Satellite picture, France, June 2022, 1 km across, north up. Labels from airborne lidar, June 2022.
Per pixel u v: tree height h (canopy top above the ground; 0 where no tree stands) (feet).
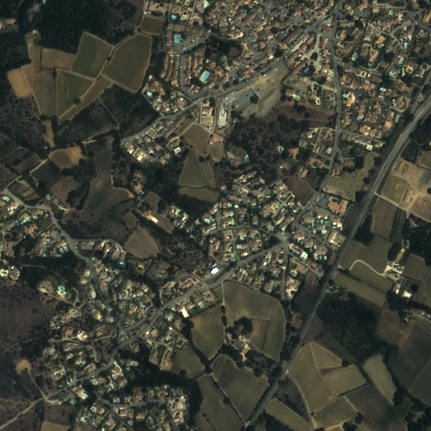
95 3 32
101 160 0
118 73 0
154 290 30
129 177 39
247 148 31
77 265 27
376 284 0
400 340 0
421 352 0
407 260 0
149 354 37
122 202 23
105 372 41
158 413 20
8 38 44
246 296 0
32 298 23
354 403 0
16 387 32
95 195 0
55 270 34
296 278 21
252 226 23
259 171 25
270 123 22
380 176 0
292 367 0
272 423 35
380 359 0
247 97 0
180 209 29
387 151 0
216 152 0
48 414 0
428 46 0
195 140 0
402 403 53
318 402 0
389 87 39
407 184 0
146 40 0
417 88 18
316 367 0
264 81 0
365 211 0
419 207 0
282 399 24
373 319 31
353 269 0
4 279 19
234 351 32
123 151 25
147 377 30
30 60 44
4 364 35
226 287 0
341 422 0
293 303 45
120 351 33
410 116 36
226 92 0
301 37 0
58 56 0
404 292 0
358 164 39
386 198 0
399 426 0
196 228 31
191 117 20
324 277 30
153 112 22
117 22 23
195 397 24
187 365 0
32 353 32
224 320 37
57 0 54
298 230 22
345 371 0
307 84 0
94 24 48
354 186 0
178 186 21
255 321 0
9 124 35
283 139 32
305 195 0
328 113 0
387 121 0
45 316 21
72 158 0
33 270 28
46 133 30
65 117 0
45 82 0
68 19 36
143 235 0
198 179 0
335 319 34
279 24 0
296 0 25
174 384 37
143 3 0
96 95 0
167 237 26
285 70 0
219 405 0
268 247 31
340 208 0
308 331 0
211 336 0
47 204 0
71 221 20
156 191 24
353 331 24
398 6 31
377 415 0
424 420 29
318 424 0
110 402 28
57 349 24
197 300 0
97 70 0
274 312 0
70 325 19
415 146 18
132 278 21
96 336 28
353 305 34
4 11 44
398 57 0
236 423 0
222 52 40
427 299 0
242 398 0
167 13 23
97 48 0
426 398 0
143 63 0
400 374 0
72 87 0
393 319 0
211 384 0
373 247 0
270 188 28
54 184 0
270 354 0
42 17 31
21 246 29
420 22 0
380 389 0
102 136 38
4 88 23
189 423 24
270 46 0
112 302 22
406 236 24
